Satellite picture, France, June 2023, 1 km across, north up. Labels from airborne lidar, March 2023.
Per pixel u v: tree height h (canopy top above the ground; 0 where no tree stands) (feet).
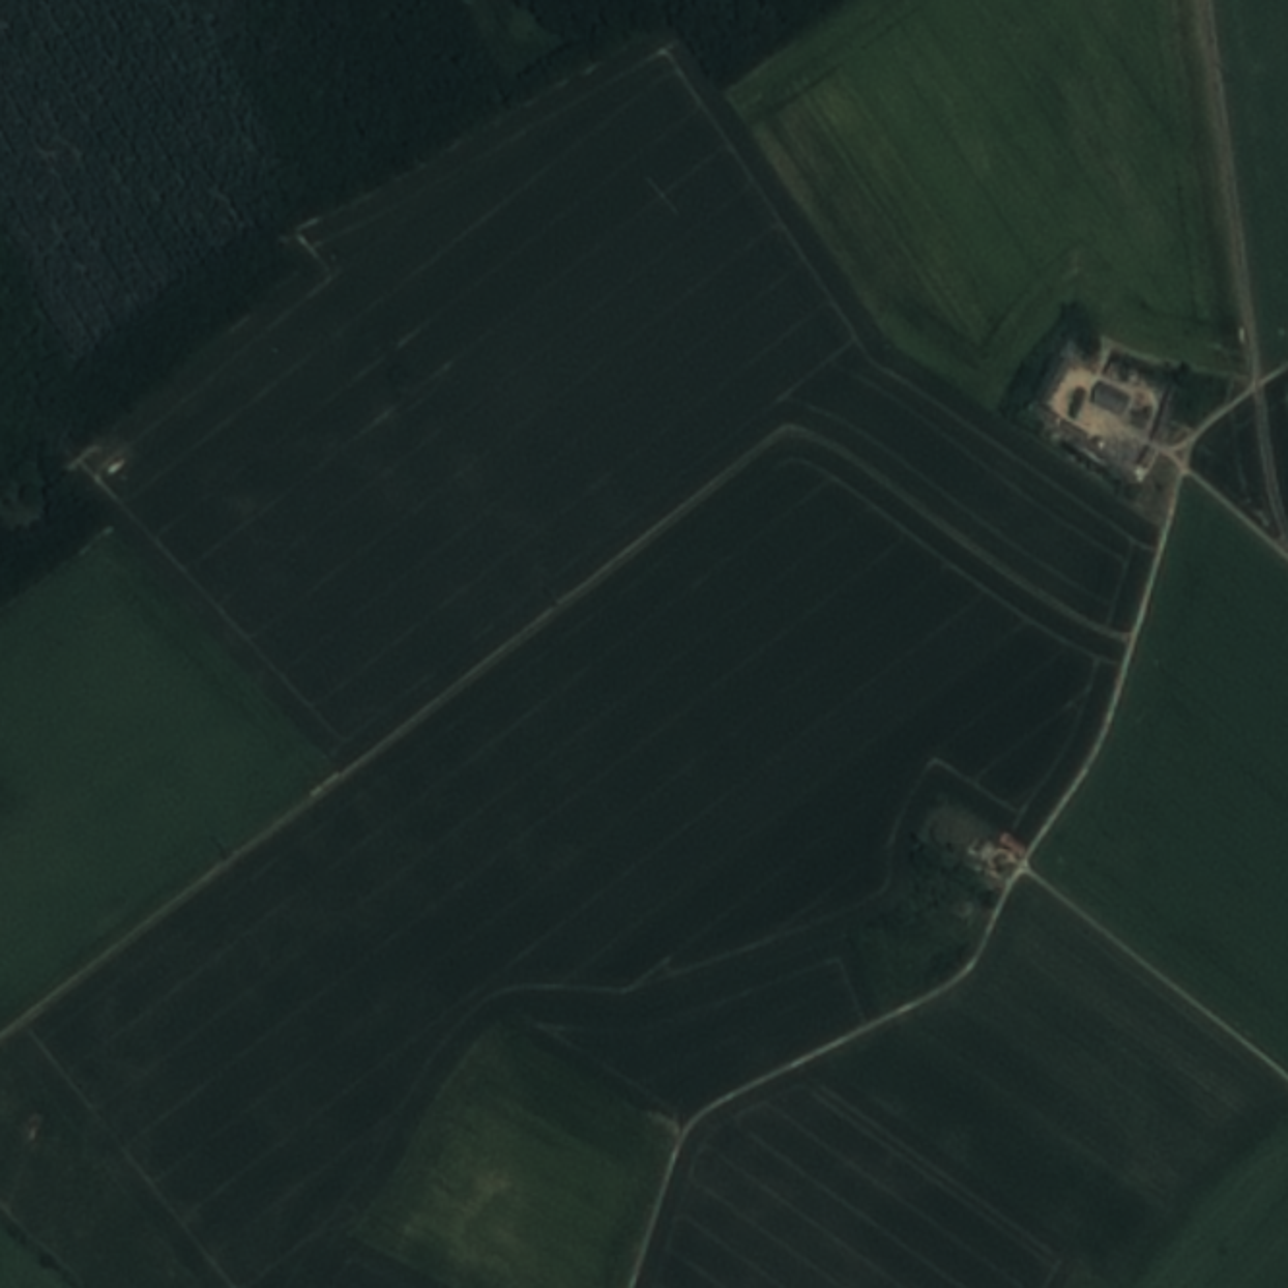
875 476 0
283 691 0
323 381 0
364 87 79
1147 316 0
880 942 0
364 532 0
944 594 0
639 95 0
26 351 45
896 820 0
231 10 62
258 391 0
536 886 0
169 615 0
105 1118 0
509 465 0
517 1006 0
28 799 0
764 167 0
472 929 0
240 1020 0
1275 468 0
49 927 0
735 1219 0
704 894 0
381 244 0
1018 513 0
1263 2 0
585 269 0
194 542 0
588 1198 0
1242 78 0
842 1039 0
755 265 0
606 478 0
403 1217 0
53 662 0
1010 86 0
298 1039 0
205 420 0
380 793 0
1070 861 0
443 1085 0
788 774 0
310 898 0
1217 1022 0
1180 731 0
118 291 51
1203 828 0
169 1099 0
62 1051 0
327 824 0
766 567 0
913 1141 0
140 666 0
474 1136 0
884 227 0
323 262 0
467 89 87
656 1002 0
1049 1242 0
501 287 0
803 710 0
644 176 0
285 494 0
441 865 0
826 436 0
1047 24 0
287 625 0
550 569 0
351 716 0
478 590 0
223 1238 0
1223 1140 0
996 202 0
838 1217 0
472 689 0
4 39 47
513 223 0
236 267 77
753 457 0
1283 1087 0
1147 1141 0
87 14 42
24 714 0
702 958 0
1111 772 0
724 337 0
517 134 0
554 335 0
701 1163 0
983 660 0
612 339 0
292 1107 0
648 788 0
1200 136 0
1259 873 0
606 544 0
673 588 0
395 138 78
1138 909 0
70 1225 0
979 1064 0
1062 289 0
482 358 0
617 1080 0
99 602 0
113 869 0
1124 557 0
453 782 0
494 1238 0
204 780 0
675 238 0
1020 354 0
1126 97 0
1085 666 0
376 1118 0
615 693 0
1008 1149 0
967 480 0
